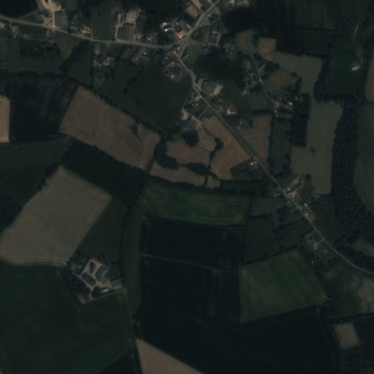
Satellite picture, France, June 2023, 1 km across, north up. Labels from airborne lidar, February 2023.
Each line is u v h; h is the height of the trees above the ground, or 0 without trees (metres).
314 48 0
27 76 14
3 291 0
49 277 0
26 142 0
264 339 0
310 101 14
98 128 0
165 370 0
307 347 0
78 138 0
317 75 0
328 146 0
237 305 0
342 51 0
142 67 7
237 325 0
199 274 0
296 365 0
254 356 0
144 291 0
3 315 0
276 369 0
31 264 0
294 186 0
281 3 0
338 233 0
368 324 7
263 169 0
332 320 5
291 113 6
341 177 31
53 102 0
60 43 0
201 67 0
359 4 0
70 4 0
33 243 0
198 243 0
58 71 0
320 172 0
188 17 14
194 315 0
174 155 0
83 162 14
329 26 0
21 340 0
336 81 0
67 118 0
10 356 0
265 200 0
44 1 0
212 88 0
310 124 0
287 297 0
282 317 0
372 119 0
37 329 0
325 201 0
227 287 0
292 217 0
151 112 0
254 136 0
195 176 0
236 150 0
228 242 0
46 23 0
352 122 25
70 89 0
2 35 0
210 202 0
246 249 14
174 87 0
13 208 26
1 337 0
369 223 24
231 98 0
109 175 14
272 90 0
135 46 0
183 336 0
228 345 0
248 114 0
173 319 0
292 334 0
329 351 0
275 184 7
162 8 0
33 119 0
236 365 0
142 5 23
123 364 0
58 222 0
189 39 0
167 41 11
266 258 10
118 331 0
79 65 0
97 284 0
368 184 0
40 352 0
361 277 0
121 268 17
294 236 0
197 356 0
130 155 0
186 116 0
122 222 0
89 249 0
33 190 0
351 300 0
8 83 22
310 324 0
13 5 0
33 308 0
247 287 0
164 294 0
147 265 0
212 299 0
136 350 0
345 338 0
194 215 0
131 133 0
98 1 22
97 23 0
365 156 0
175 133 14
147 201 0
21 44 0
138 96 0
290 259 0
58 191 0
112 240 0
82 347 0
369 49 26
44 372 0
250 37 0
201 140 0
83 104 0
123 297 0
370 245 0
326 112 0
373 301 0
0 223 18
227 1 0
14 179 0
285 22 0
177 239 0
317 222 0
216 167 0
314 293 0
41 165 0
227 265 0
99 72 0
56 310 0
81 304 0
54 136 0
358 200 19
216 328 0
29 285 0
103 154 13
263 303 0
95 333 0
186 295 0
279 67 11
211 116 0
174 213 0
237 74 0
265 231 0
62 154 0
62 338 0
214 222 0
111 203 0
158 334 0
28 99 0
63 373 0
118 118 0
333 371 0
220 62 0
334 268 0
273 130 6
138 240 0
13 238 0
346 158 27
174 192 0
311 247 0
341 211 21
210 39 0
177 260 0
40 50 15
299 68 0
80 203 0
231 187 0
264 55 0
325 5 0
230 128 0
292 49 0
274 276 0
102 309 0
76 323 0
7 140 0
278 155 0
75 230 0
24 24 0
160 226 0
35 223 0
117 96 0
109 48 0
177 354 0
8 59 0
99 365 0
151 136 0
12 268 0
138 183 14
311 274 0
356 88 0
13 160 0
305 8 0
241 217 0
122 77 0
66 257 0
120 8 0
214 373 0
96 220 0
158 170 0
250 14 0
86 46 19
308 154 0
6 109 0
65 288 0
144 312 0
